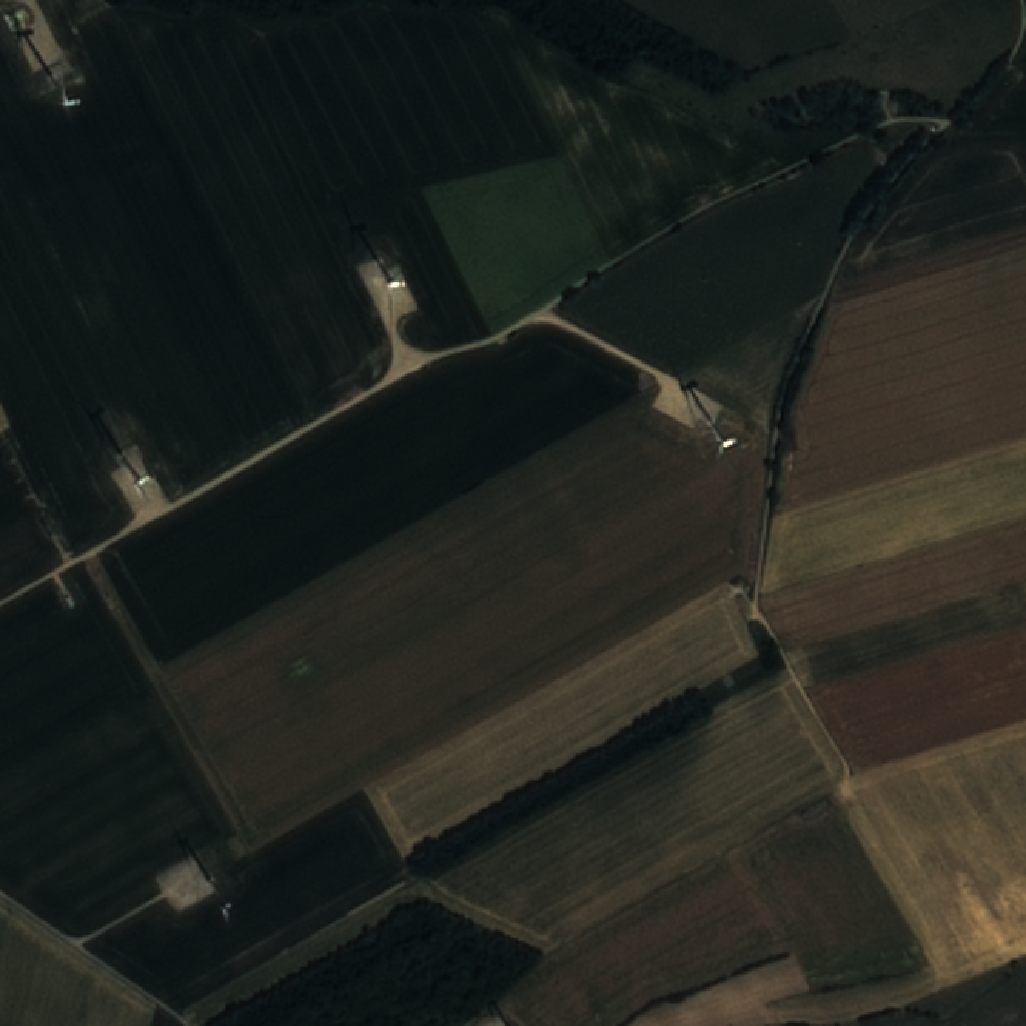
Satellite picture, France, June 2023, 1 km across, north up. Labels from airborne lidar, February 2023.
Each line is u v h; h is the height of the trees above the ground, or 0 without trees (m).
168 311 0
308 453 0
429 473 0
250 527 0
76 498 0
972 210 0
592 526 0
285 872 0
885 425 0
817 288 0
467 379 0
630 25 12
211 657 0
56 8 0
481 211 0
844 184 0
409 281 0
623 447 0
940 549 0
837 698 0
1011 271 0
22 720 0
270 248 0
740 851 0
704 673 0
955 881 0
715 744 0
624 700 0
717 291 0
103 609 0
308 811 0
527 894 0
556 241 0
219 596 0
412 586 0
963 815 0
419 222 0
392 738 0
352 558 0
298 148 0
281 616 0
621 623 0
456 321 0
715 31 0
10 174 0
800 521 0
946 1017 10
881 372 0
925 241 0
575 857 0
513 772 0
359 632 0
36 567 0
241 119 0
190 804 0
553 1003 0
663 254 0
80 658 0
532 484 0
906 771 0
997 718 0
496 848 0
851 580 0
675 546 0
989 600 0
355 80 0
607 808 0
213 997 0
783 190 0
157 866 0
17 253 0
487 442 0
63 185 0
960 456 0
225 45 0
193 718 0
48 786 0
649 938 0
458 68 0
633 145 0
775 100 11
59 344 0
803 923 0
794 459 0
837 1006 0
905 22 0
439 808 0
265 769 0
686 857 0
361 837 0
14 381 0
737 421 0
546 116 0
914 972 0
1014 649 0
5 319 0
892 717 0
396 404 0
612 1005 0
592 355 0
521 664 0
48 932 0
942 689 0
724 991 0
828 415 0
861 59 0
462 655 0
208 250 0
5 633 0
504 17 0
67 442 0
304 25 0
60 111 0
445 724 0
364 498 0
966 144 0
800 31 0
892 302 0
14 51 0
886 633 0
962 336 0
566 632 0
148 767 0
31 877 0
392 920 9
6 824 0
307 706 0
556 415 0
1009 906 0
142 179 0
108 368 0
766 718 0
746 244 0
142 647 0
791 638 0
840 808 0
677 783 0
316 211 0
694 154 0
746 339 0
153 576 0
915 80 0
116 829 0
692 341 0
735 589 0
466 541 0
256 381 0
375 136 0
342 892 0
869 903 0
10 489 0
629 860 0
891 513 0
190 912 0
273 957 0
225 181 0
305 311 0
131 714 0
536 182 0
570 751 0
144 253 0
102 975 0
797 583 0
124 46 0
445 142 0
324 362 0
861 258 0
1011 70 0
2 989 0
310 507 0
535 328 0
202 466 0
